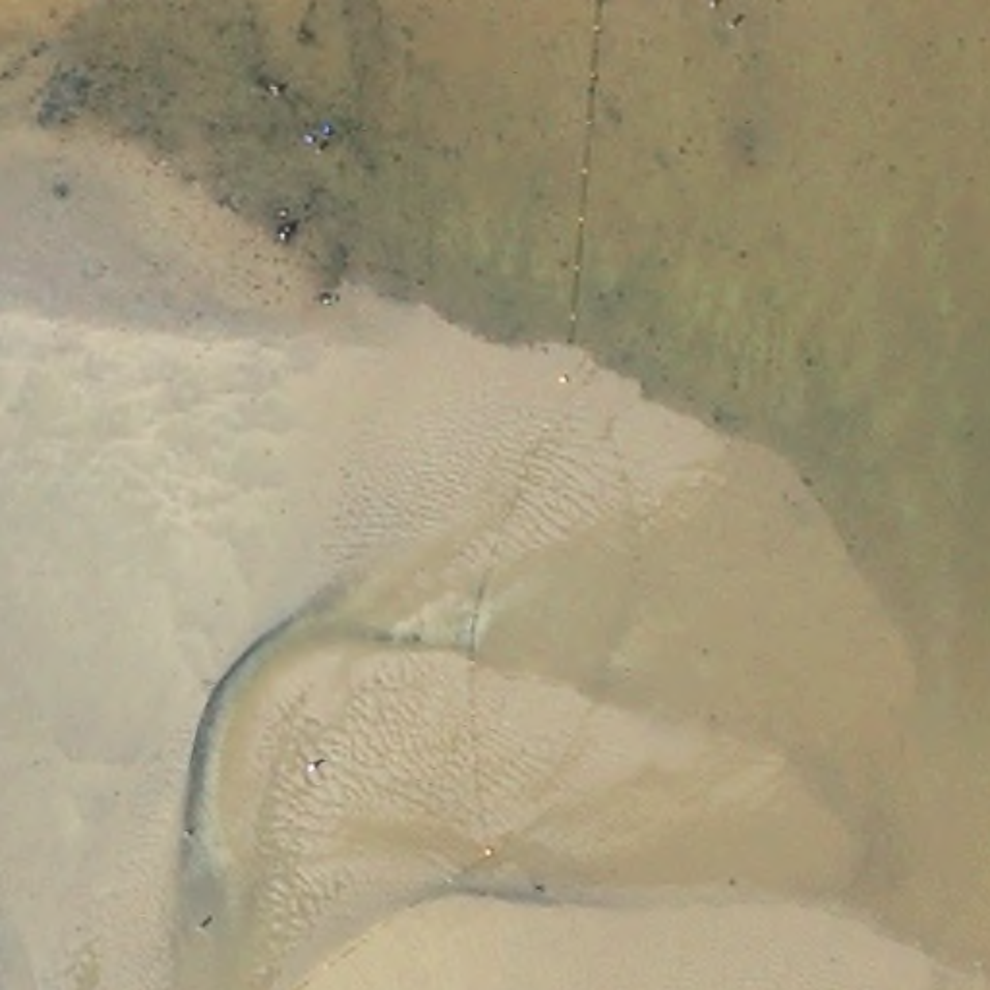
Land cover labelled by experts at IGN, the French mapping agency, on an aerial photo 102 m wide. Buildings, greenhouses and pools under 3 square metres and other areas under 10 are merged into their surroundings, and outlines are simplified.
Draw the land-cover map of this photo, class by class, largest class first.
<instances>
[{"label":"bare soil","instance_id":"1","mask_svg":"<svg viewBox=\"0 0 990 990\"><path fill-rule=\"evenodd\" d=\"M0 990H990V0H0Z\"/></svg>","mask_w":990,"mask_h":990}]
</instances>
